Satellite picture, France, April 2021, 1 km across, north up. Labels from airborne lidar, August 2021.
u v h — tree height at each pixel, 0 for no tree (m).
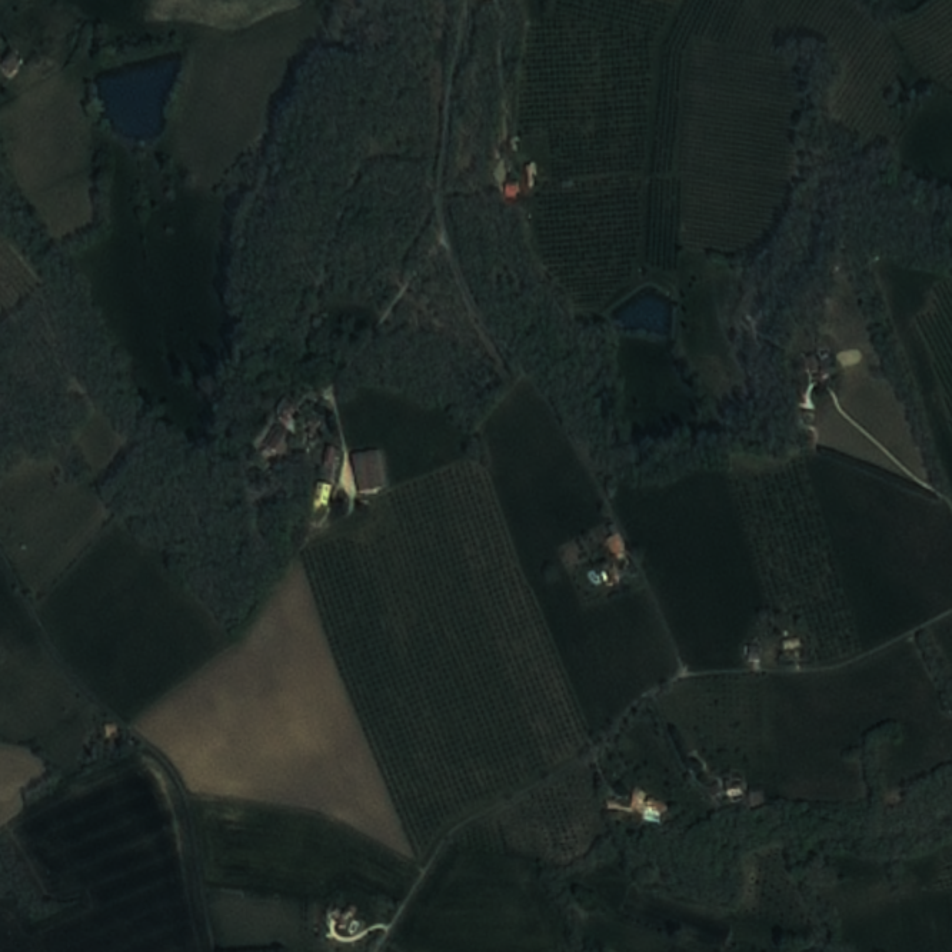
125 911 0
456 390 19
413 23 12
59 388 19
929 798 14
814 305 13
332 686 0
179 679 0
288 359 13
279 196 8
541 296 19
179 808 0
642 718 10
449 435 0
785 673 0
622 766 10
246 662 0
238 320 19
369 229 11
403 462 0
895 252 14
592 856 9
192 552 21
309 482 17
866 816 10
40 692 0
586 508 0
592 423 26
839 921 13
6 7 0
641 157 6
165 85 0
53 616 0
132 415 26
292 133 15
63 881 0
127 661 0
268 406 11
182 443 25
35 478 0
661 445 25
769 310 15
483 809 0
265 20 0
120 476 20
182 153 0
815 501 5
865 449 0
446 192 8
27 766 0
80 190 0
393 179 10
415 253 9
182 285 0
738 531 0
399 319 10
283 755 0
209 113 0
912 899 0
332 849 0
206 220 0
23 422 18
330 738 0
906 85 0
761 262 20
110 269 0
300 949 0
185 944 0
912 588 0
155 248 0
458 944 0
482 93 16
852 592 0
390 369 16
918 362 0
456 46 17
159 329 0
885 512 0
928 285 0
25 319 14
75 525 0
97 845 0
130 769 0
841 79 22
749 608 0
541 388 12
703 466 11
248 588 24
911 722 0
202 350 0
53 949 0
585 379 21
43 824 0
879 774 9
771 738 0
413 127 10
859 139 13
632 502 0
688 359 11
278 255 11
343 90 13
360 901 0
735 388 0
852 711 0
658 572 0
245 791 0
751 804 8
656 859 22
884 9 21
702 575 0
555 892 14
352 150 13
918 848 22
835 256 10
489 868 0
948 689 11
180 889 0
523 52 18
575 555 0
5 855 16
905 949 0
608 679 0
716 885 20
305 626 0
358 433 0
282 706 0
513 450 0
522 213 24
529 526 0
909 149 0
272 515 21
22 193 9
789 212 14
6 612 0
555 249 5
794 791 0
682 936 26
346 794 0
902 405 11
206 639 0
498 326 19
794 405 17
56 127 0
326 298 12
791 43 19
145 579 0
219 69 0
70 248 16
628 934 0
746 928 0
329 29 11
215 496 27
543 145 0
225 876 0
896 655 0
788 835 21
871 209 17
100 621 0
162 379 0
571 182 8
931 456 12
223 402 22
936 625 0
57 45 10
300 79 18
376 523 0
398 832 0
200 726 0
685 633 0
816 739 0
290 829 0
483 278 14
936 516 0
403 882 0
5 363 16
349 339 12
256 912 0
